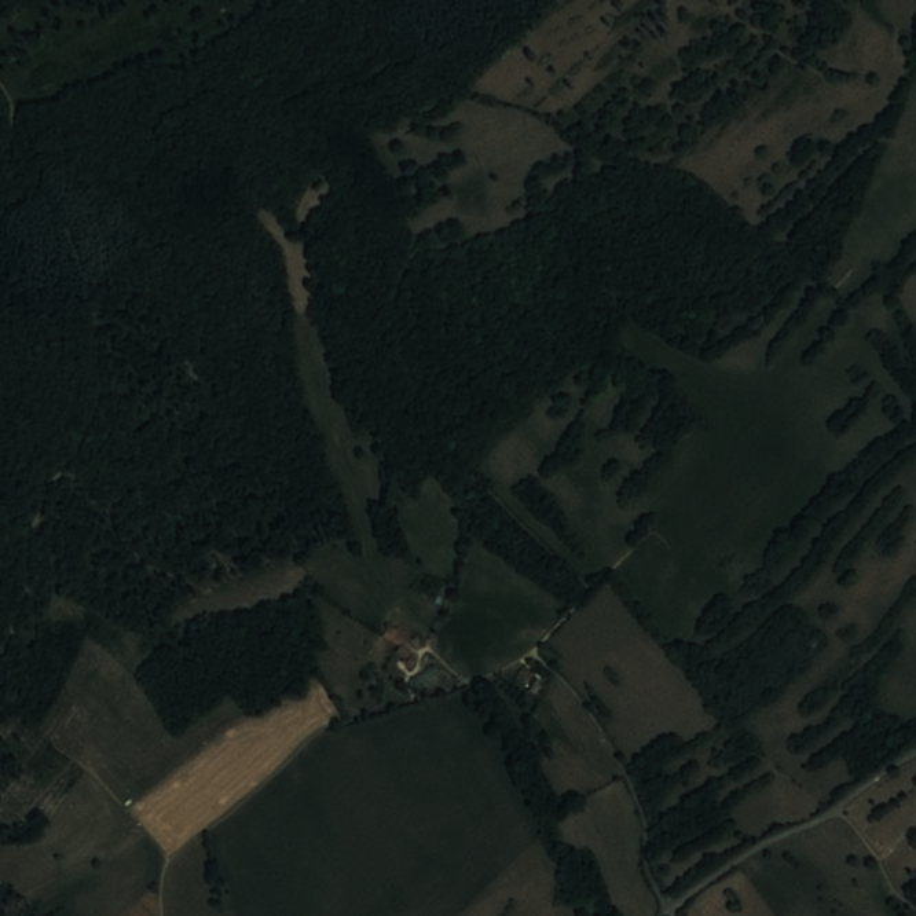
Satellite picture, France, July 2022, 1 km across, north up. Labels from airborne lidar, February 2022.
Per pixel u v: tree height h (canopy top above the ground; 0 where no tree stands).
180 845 0
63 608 0
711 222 13
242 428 21
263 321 18
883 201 0
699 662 13
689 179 11
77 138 21
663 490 0
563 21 0
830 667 0
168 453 15
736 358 0
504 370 17
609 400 0
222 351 23
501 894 0
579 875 22
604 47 0
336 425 0
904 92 16
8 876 0
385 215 17
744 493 0
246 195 21
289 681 17
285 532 21
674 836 12
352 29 18
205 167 24
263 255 19
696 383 0
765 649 10
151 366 16
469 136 0
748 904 0
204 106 22
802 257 14
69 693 0
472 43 17
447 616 10
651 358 0
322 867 0
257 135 20
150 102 23
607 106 7
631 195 13
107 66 0
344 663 0
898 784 0
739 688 7
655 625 8
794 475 0
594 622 0
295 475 25
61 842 0
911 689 0
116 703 0
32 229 22
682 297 9
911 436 12
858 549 8
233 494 20
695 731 0
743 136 0
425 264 12
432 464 13
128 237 12
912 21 0
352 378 18
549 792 16
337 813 0
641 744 0
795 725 0
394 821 0
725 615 14
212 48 16
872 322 0
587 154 18
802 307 7
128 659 0
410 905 0
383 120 20
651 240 11
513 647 0
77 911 0
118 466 10
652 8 0
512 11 20
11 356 15
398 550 15
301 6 16
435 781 0
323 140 16
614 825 0
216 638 11
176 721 9
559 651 0
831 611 8
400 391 19
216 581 15
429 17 21
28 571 11
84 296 26
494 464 0
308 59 17
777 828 11
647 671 0
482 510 21
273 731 0
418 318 14
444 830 0
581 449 13
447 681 0
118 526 16
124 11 18
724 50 9
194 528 21
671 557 0
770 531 0
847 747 7
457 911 0
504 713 22
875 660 7
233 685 14
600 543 0
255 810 0
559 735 0
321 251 20
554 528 9
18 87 0
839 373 0
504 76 0
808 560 10
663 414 13
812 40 14
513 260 13
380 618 0
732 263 11
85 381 15
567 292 21
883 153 9
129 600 18
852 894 0
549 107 0
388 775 0
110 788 0
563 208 14
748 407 0
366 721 12
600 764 0
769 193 12
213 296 15
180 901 0
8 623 14
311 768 0
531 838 0
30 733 0
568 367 14
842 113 6
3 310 19
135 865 0
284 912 0
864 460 15
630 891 0
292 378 27
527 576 17
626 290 20
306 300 0
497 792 0
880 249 0
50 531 13
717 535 0
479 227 0
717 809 15
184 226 21
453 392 15
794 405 0
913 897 9
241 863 0
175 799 0
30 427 21
